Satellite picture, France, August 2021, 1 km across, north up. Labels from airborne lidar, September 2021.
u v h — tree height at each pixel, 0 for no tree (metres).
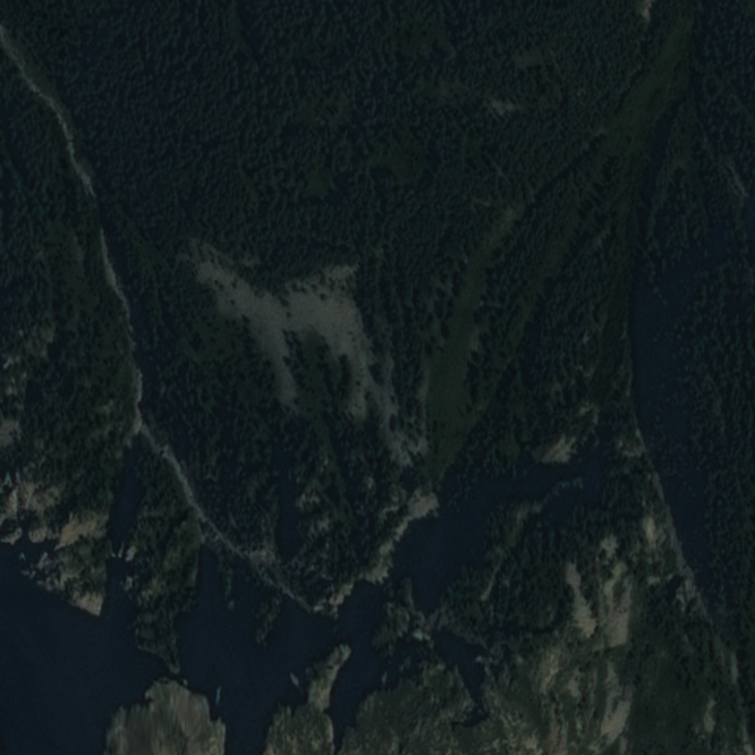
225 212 24
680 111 20
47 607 5
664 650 0
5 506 9
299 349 11
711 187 17
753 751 0
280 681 0
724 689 7
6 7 15
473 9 27
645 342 8
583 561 7
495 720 0
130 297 7
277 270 19
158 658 0
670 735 0
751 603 7
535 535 14
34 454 9
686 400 9
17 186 30
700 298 8
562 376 15
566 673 0
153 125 22
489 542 11
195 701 0
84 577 10
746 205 0
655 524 12
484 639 7
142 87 25
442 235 20
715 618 0
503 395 13
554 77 21
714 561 18
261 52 29
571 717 0
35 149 23
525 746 0
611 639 0
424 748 0
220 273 0
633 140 7
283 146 8
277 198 20
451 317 17
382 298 7
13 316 16
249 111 30
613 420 7
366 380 0
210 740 0
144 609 9
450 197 20
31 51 6
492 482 18
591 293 21
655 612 11
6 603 15
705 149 7
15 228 27
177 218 22
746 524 19
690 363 7
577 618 0
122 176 17
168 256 9
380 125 19
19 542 0
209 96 27
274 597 11
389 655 8
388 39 19
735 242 13
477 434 15
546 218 22
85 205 9
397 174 0
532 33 17
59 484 11
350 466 13
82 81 7
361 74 21
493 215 21
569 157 25
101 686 0
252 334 9
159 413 12
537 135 23
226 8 19
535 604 10
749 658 12
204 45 21
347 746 0
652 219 21
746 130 20
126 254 23
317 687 6
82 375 13
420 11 22
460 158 25
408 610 9
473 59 20
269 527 13
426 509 0
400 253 20
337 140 12
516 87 24
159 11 28
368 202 26
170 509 16
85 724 0
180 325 18
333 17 22
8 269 35
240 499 14
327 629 6
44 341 14
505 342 18
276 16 27
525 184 28
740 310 13
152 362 9
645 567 9
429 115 9
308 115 0
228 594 7
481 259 0
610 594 0
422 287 23
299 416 0
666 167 27
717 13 19
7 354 8
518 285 24
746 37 7
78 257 0
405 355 7
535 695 0
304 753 0
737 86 12
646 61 13
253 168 18
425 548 0
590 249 24
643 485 9
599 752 0
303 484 12
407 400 9
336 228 24
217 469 8
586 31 20
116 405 8
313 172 25
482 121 20
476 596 6
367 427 0
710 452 24
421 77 19
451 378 0
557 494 6
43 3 27
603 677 0
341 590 10
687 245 21
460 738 0
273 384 9
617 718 0
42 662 0
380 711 0
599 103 17
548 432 10
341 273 0
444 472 0
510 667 5
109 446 9
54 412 13
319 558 11
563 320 27
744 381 14
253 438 24
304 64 6
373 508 10
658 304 9
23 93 18
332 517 15
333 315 0
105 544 12
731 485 10
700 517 9
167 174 26
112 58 22
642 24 10
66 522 7
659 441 6
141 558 9
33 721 0
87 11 8
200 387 15
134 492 7
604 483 9
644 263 7
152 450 12
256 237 14
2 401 12
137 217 17
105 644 0
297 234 9
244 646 8
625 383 8
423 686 8
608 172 9
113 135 17
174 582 11
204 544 0
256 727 0
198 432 12
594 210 19
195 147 26
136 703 0
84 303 7
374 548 14
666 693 0
